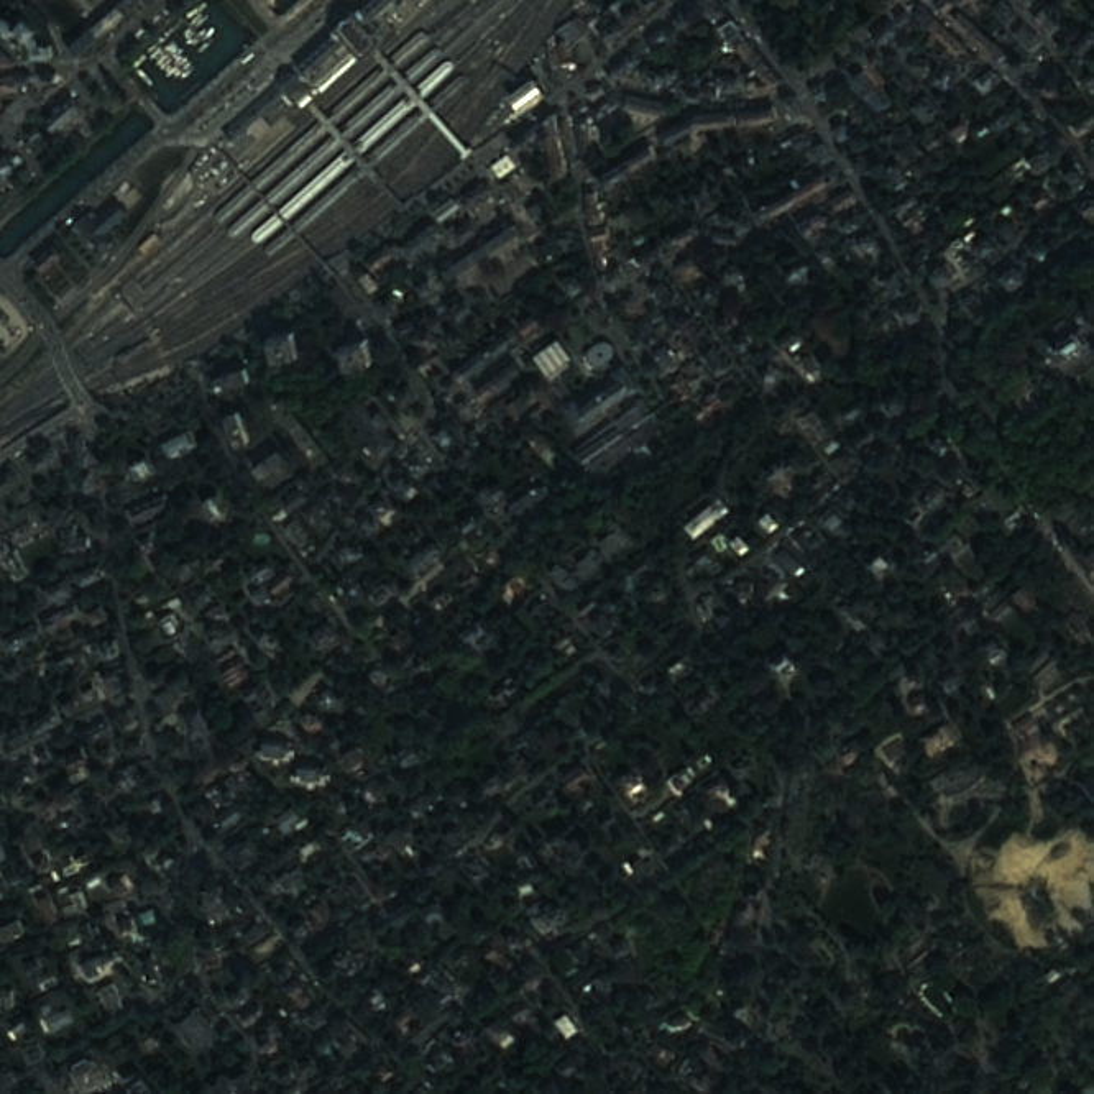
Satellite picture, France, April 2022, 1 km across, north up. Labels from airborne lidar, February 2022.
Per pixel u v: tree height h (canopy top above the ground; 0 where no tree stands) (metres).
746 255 12
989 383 17
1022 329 24
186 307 0
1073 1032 24
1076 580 10
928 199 6
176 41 0
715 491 16
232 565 18
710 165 12
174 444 0
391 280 17
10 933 0
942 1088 14
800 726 29
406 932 8
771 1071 23
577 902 21
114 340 0
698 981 24
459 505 10
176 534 20
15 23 0
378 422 0
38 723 0
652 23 0
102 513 19
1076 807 14
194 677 20
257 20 0
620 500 25
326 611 5
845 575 20
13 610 8
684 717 23
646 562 0
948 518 13
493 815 15
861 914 0
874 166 21
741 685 25
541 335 0
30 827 7
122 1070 0
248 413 25
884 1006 7
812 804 21
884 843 19
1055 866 0
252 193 0
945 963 21
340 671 15
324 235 0
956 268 0
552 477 9
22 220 0
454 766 20
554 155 0
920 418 25
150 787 17
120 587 21
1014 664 17
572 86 0
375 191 0
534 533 20
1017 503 12
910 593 12
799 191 0
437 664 19
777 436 9
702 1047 12
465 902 20
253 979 26
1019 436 21
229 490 21
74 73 0
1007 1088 8
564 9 0
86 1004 16
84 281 0
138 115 0
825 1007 15
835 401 0
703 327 8
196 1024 0
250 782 6
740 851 15
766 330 18
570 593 18
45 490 15
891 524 17
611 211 11
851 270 14
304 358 28
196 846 0
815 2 25
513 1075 19
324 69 0
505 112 0
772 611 7
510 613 17
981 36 0
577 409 0
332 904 6
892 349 16
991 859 0
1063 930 0
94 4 0
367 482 17
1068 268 21
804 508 11
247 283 0
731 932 5
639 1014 22
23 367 0
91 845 24
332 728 15
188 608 14
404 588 11
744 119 0
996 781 8
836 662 9
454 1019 19
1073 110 9
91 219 0
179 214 0
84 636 10
